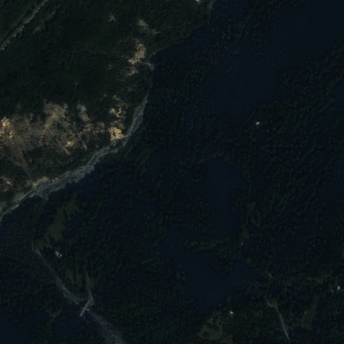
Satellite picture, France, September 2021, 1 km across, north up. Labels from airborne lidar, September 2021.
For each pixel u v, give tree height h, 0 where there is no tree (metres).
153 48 17
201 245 16
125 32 18
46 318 20
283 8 20
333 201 30
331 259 25
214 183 18
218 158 13
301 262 24
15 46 21
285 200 10
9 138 0
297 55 27
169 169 30
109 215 22
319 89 17
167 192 29
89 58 16
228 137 22
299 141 12
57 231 0
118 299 23
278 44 17
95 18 12
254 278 10
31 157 13
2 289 20
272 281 15
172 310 28
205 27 10
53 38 20
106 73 14
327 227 27
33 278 12
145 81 15
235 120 22
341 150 22
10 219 8
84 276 16
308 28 21
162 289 19
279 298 15
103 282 9
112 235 20
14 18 17
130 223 17
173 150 8
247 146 26
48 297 29
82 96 18
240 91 18
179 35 23
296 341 24
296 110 18
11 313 16
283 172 17
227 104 21
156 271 27
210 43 20
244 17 14
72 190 8
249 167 13
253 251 13
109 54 15
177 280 21
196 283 8
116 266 18
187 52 15
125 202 30
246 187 24
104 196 25
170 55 17
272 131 10
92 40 16
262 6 24
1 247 18
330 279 7
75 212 0
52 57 21
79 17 18
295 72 23
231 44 7
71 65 21
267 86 27
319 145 27
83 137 13
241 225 26
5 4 16
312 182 19
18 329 27
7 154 10
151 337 22
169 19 17
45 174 7
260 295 11
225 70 16
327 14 24
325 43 24
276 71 19
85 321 0
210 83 20
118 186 23
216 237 15
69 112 13
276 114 22
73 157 19
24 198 0
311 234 23
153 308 20
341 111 26
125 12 16
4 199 10
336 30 28
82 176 0
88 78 27
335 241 31
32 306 33
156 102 12
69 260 21
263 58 15
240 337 20
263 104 22
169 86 27
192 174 29
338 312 23
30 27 17
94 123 13
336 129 26
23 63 20
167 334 10
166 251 22
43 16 15
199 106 18
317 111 17
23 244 16
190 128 17
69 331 16
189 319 24
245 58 7
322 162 24
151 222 26
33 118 10
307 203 20
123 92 12
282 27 23
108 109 14
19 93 22
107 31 19
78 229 28
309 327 0
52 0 11
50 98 17
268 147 9
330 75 12
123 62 13
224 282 19
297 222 19
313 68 26
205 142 20
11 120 0
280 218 19
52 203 16
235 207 25
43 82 9
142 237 17
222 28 20
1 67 20
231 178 15
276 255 15
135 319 20
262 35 18
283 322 0
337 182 29
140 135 0
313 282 13
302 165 13
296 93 24
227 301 17
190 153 22
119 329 6
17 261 14
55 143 9
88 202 34
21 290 20
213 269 32
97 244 25
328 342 16
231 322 11
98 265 19
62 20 25
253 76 12
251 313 11
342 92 0
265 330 14
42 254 19
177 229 16
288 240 26
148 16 19
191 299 27
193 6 13
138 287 19
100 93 10
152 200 28
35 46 17
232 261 27
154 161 0
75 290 15
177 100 8
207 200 23
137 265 20
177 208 25
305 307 27
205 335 16
